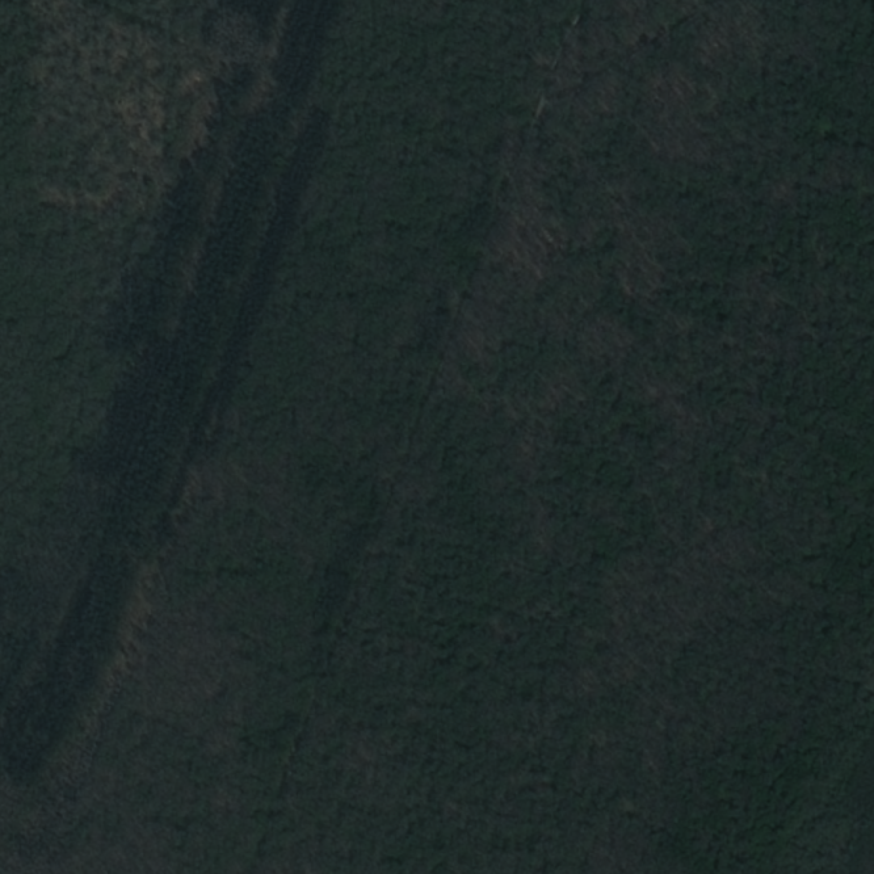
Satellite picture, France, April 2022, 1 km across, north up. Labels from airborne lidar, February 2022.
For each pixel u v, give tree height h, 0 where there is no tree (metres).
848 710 25
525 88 27
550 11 27
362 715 25
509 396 27
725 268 29
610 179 26
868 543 23
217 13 16
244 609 25
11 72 22
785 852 26
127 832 28
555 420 25
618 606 21
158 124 22
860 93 24
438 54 22
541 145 22
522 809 29
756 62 27
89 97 24
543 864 28
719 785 27
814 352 27
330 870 29
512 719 28
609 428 28
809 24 28
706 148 26
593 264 27
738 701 26
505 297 27
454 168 27
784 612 27
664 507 25
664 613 28
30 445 26
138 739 27
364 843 26
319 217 26
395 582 24
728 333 28
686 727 28
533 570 26
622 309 25
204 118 0
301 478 27
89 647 29
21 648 26
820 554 23
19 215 23
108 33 23
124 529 25
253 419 24
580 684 31
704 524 28
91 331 22
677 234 29
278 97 22
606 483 23
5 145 22
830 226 28
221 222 20
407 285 26
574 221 28
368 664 22
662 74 24
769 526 28
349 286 24
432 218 26
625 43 25
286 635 28
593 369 25
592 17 17
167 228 19
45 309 23
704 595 26
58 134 25
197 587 24
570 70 23
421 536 25
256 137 26
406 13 27
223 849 28
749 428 23
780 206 28
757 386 30
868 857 16
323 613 25
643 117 24
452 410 22
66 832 22
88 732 23
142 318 29
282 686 26
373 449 23
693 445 28
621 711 31
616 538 25
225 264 25
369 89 29
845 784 11
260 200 29
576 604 27
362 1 25
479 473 26
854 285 25
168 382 26
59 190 30
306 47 25
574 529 26
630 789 27
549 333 27
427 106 25
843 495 26
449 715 27
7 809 24
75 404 27
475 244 27
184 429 27
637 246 27
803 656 29
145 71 26
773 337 27
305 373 27
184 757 26
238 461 29
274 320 23
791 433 26
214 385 19
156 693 27
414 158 27
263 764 25
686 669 28
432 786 15
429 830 23
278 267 24
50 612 24
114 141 23
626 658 28
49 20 21
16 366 26
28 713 24
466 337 26
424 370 26
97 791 26
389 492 21
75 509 23
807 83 20
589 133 26
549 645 25
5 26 22
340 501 26
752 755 22
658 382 28
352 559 26
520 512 24
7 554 22
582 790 27
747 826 24
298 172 26
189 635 28
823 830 27
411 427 23
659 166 28
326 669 24
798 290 27
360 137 27
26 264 28
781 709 28
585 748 27
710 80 25
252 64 22
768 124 24
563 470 22
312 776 24
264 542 27
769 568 30
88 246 25
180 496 24
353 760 25
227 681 25
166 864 28
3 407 26
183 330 18
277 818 16
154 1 22
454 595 27
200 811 29
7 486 23
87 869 28
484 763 25
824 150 26
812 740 28
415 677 26
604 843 30
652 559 29
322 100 18
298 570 29
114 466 26
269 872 27
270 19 23
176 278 29
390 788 23
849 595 27
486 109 25
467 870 27
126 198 24
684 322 28
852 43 24
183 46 26
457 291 26
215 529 28
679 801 27
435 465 28
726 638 29
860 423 25
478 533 24
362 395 24
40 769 26
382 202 26
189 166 8
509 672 30
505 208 20
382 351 27
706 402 25
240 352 25
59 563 24
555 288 27
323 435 28
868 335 30
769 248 23
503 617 29
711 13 21
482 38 25
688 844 26
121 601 27
